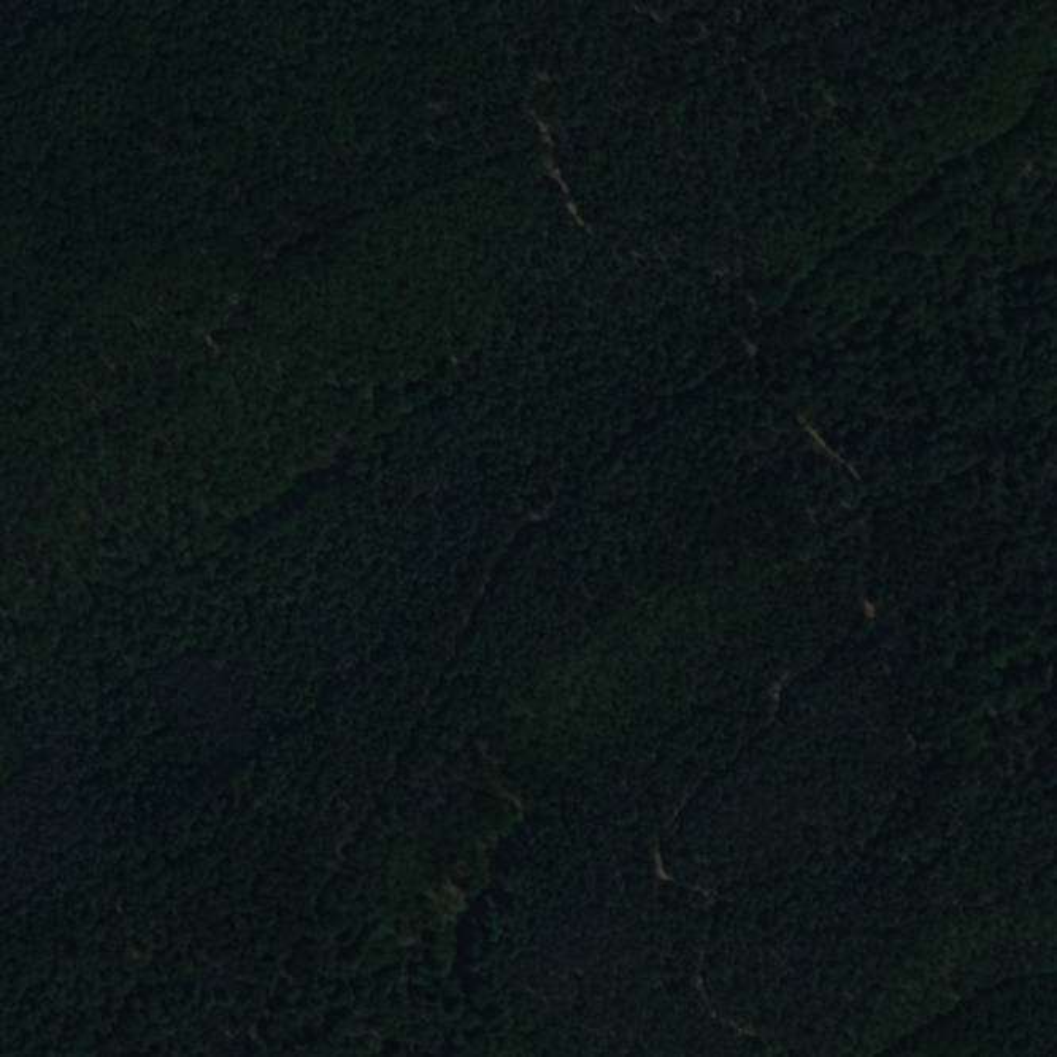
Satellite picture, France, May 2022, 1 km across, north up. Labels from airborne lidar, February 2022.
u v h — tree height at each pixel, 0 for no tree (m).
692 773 26
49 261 27
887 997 23
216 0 24
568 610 24
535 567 25
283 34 28
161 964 10
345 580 30
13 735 13
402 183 24
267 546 27
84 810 28
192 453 24
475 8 25
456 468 26
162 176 30
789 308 34
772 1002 25
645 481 28
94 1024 16
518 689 26
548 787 32
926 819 25
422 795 42
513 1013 29
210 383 20
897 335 39
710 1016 25
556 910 28
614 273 26
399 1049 34
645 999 29
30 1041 11
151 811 47
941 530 29
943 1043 34
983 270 36
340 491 37
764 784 24
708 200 22
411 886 27
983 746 33
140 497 29
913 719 29
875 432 15
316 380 18
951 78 29
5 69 28
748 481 25
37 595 7
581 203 25
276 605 25
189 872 28
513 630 24
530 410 30
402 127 29
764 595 26
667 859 23
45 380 25
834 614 24
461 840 37
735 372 27
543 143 26
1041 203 31
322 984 37
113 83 28
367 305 11
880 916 23
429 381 32
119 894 27
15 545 24
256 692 30
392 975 34
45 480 22
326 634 31
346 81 27
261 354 23
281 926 29
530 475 29
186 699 17
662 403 28
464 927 23
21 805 26
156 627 34
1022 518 7
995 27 24
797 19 30
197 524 27
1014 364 33
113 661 27
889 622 11
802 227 26
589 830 33
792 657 27
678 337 26
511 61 25
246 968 8
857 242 32
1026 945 24
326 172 24
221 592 23
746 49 30
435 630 28
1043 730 10
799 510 28
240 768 36
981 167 35
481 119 23
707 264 23
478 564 25
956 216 27
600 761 29
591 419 26
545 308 26
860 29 23
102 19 30
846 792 30
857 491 29
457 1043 39
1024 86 30
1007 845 17
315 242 24
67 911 28
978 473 8
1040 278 37
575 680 22
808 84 26
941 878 20
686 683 27
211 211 29
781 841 25
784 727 27
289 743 26
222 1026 11
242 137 29
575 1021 27
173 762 11
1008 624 30
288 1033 9
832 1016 23
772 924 24
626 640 21
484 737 35
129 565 23
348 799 24
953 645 25
